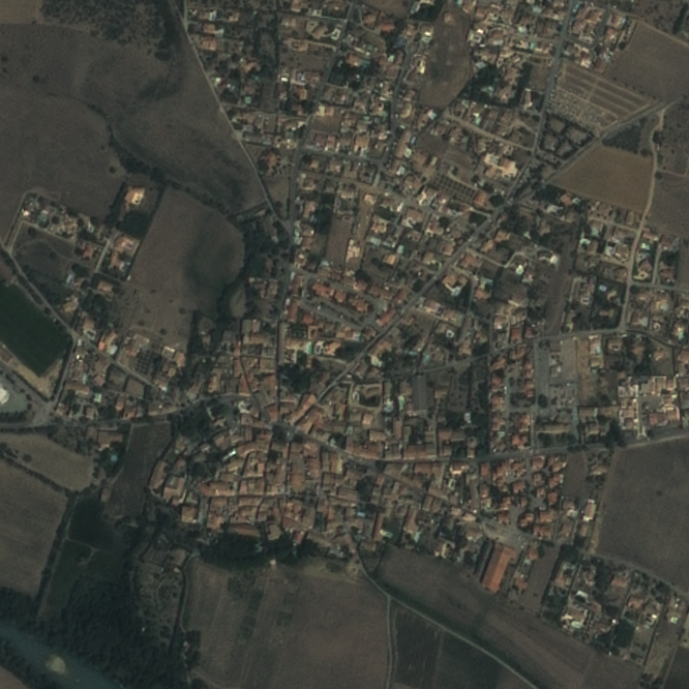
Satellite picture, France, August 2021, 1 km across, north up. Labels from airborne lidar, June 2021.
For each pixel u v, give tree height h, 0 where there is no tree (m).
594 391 0
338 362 0
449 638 0
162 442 0
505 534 0
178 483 0
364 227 0
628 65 0
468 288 6
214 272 0
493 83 8
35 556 0
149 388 7
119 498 0
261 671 0
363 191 0
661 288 0
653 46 0
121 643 20
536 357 0
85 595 10
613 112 0
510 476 0
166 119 0
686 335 7
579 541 7
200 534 12
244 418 0
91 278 8
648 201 0
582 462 0
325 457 0
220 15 5
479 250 6
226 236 0
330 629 0
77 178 0
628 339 7
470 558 8
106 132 0
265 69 11
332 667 0
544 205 0
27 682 9
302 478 0
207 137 0
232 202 0
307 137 0
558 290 0
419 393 0
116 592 17
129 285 0
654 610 0
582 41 0
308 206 0
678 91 0
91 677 0
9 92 0
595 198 0
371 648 0
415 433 8
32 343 0
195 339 11
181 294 0
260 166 7
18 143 0
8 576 0
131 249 0
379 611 0
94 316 9
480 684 0
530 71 10
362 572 0
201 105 0
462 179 0
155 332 0
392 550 0
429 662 0
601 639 10
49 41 0
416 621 0
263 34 5
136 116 0
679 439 0
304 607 0
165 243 0
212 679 0
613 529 0
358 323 0
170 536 8
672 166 0
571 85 0
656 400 0
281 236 10
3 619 21
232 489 0
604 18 0
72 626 20
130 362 0
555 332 0
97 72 0
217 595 0
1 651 9
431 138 0
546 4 8
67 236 6
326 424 0
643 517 0
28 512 0
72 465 0
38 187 0
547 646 0
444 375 0
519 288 0
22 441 0
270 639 0
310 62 0
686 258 0
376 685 0
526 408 0
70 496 8
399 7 0
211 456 12
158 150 0
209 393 7
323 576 0
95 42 0
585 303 0
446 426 5
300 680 0
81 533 0
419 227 8
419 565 0
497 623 0
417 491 0
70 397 5
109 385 7
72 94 0
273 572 0
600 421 8
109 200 0
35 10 0
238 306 0
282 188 0
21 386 0
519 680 0
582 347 0
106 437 0
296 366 9
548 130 8
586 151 0
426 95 0
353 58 0
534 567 0
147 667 13
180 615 7
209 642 0
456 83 0
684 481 0
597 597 8
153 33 6
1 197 0
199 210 0
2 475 0
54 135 0
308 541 13
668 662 0
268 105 0
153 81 0
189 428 15
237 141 0
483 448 14
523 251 0
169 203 0
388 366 7
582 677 0
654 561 0
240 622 0
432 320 0
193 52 0
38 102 0
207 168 0
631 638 10
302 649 0
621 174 0
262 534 8
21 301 0
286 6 6
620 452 0
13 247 0
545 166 10
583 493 0
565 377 0
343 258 0
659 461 0
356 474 0
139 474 0
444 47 0
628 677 0
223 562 18
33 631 20
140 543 8
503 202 9
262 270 12
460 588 0
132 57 0
